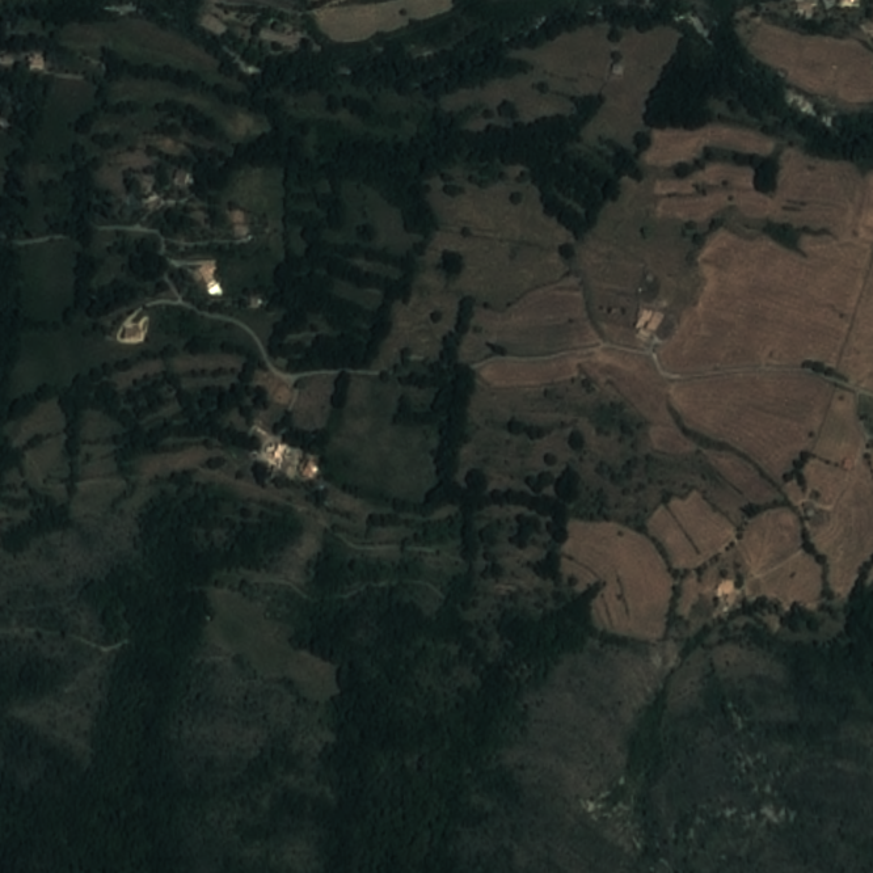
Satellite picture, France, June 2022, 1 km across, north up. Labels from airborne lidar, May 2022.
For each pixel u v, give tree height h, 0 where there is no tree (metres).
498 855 6
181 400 10
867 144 14
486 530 10
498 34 11
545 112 0
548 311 0
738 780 6
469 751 11
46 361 0
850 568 0
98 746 8
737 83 18
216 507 11
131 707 11
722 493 0
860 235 0
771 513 0
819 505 0
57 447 0
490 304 10
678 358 0
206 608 14
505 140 18
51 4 18
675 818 0
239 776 6
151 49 0
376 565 8
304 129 14
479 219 0
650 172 0
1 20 12
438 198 0
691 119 17
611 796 6
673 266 0
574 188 13
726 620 7
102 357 0
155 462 0
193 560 14
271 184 0
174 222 7
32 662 8
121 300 12
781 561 0
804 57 0
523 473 0
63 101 0
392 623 8
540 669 9
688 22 7
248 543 14
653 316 0
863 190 0
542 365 0
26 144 11
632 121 0
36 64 0
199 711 7
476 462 0
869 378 0
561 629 11
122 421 8
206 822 6
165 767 8
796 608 15
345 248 13
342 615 10
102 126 0
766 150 0
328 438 16
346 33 0
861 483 0
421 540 7
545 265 0
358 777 13
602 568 0
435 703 7
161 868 16
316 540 0
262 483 8
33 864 8
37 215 0
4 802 6
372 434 0
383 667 9
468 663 8
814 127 16
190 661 9
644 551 0
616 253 0
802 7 0
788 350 0
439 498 19
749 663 0
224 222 9
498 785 8
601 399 0
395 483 0
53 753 12
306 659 0
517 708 6
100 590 9
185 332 9
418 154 15
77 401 11
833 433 0
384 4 0
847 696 6
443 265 7
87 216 13
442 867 12
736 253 0
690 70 12
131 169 7
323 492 14
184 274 13
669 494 7
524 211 0
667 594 0
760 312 0
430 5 0
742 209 0
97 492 0
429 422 12
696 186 8
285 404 0
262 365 8
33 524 8
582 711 0
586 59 0
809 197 0
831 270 0
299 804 13
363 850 14
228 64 13
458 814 9
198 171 14
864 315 0
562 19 15
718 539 0
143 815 12
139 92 0
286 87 8
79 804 13
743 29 0
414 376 13
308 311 9
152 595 9
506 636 8
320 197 12
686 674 0
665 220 0
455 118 8
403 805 14
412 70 15
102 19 13
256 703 7
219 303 10
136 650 9
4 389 13
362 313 9
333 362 13
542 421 0
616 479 10
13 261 16
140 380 13
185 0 12
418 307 0
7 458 13
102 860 13
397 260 8
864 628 7
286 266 13
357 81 12
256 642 0
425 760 16
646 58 0
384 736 12
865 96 0
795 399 0
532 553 0
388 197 7
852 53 0
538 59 0
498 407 0
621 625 0
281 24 12
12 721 7
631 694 0
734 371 0
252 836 9
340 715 7
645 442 0
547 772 0
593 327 0
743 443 0
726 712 9
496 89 0
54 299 0
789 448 0
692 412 0
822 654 7
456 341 13
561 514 10
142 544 7
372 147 12
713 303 0
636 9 11
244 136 0
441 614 9
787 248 0
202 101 0
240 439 17
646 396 0
